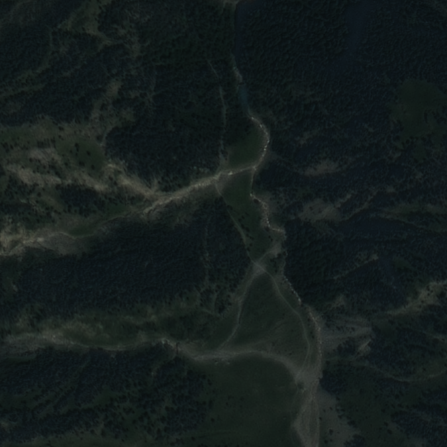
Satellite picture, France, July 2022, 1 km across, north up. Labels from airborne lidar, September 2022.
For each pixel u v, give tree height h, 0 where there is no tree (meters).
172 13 17
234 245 23
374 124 15
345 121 7
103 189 0
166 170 8
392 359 12
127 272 32
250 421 0
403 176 22
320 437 0
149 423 6
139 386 8
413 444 0
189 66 7
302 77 17
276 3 25
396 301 8
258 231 0
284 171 10
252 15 21
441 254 7
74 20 7
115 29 16
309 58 23
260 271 0
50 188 0
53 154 0
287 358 0
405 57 26
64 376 13
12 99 12
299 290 13
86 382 16
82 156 0
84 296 10
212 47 17
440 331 7
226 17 20
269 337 0
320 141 19
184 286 14
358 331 0
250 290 0
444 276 8
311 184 17
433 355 8
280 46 32
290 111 19
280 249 0
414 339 15
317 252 16
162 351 11
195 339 0
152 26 7
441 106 0
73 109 12
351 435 0
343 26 21
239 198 0
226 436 0
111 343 0
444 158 13
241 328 0
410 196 12
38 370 10
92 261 12
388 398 7
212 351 0
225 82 17
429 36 22
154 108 12
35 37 10
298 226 20
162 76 21
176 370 13
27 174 0
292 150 21
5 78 11
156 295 8
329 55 22
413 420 16
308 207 0
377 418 0
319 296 17
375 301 7
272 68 8
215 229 10
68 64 8
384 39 19
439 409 14
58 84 9
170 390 10
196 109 10
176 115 13
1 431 8
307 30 26
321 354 0
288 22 30
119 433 20
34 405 0
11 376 9
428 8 19
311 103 10
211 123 17
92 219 0
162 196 0
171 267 23
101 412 21
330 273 5
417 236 10
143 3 15
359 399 0
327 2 30
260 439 0
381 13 24
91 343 0
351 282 15
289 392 0
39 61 18
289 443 0
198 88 25
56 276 10
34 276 8
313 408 0
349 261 12
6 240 0
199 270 22
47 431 14
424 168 14
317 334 0
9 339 0
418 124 0
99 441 0
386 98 18
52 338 0
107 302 15
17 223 0
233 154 0
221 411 0
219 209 15
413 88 0
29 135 0
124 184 0
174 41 16
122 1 13
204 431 0
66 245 0
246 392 0
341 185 16
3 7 12
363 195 15
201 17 19
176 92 16
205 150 18
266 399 0
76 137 0
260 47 24
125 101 19
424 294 0
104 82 10
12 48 12
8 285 0
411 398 0
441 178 10
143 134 21
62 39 11
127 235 6
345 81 25
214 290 6
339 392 8
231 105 18
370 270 19
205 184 0
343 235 15
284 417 0
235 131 9
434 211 0
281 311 0
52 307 13
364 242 12
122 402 10
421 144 0
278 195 8
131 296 12
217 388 0
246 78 21
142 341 0
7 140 0
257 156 0
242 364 0
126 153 12
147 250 18
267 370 0
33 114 11
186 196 0
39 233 0
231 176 0
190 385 23
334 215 0
